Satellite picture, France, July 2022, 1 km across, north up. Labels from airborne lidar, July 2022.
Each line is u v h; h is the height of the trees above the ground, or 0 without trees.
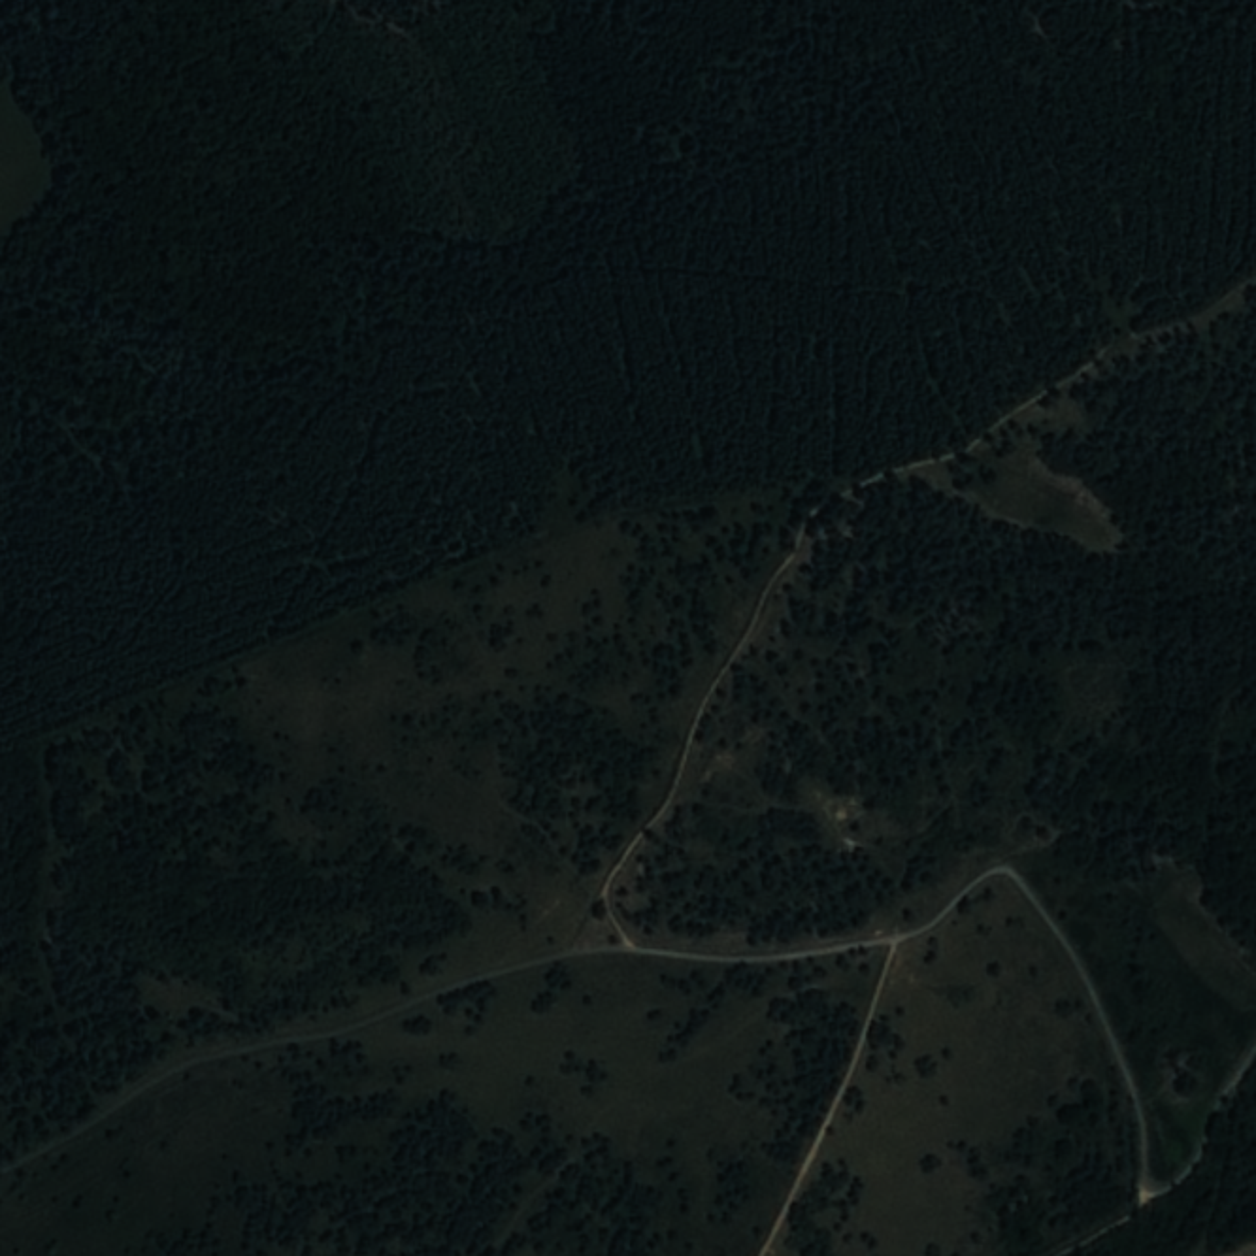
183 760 16
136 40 8
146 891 8
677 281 19
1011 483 0
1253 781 15
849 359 19
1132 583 11
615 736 7
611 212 21
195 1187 0
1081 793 14
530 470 17
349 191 10
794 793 9
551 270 13
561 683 0
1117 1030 0
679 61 16
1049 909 0
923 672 0
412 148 9
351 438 19
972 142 15
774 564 0
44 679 18
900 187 16
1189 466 10
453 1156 10
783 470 18
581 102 16
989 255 16
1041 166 9
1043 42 15
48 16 27
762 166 16
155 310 10
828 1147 0
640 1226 7
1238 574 15
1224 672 14
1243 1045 0
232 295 9
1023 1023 0
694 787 0
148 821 10
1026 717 10
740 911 12
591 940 0
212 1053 0
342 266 13
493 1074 0
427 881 7
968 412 17
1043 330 15
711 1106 0
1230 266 16
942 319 18
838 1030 11
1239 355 6
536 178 8
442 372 19
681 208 19
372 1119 7
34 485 17
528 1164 8
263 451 21
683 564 11
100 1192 0
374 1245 10
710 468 16
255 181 8
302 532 20
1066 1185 6
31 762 14
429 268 15
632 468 17
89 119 11
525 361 17
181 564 21
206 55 6
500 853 0
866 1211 0
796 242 17
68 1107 9
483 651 0
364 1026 0
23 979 9
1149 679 15
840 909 12
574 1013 0
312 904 10
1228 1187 8
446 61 7
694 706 0
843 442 17
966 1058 0
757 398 17
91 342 7
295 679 0
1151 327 12
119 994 12
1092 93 17
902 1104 0
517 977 0
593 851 7
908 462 18
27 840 15
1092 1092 12
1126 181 16
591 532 0
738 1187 7
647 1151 0
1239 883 18
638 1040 0
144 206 10
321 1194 8
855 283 17
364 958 7
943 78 12
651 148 17
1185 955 0
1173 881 0
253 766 10
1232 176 13
